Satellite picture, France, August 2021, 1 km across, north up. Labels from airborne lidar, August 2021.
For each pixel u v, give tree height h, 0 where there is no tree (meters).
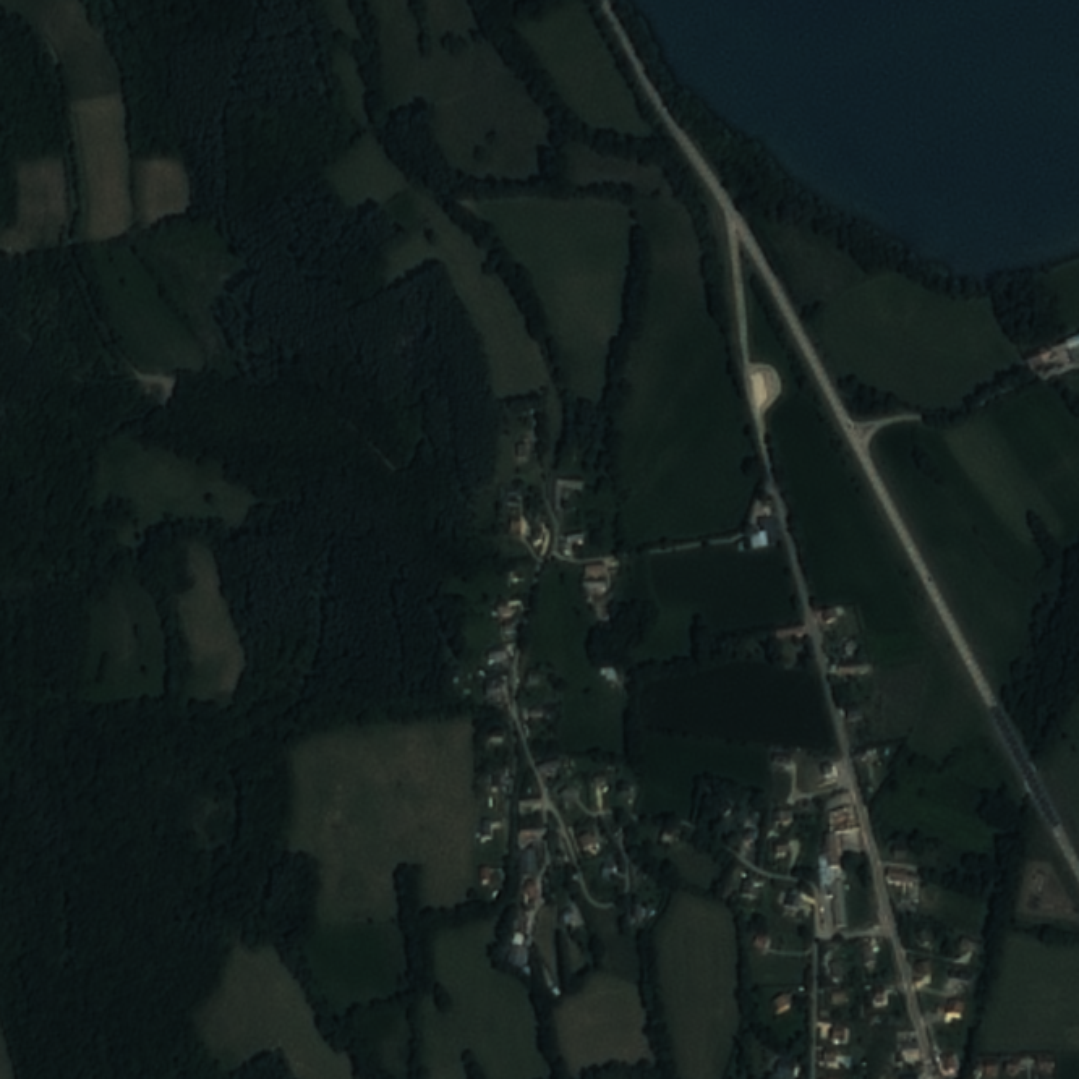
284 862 14
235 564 19
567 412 13
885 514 0
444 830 0
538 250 0
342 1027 20
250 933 14
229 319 20
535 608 11
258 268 25
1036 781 0
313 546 24
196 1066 18
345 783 0
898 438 0
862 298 0
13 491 17
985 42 0
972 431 0
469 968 0
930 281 15
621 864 10
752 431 14
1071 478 0
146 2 18
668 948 0
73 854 16
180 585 0
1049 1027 0
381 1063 10
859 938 8
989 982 15
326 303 24
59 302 6
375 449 12
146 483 0
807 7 0
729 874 9
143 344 0
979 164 0
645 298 26
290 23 24
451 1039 0
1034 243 0
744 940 8
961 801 0
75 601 9
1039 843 0
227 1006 0
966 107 0
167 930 26
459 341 23
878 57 0
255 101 21
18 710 18
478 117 0
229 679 0
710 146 14
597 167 0
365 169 0
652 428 0
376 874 0
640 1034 0
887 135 0
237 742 20
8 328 15
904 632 0
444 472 17
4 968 15
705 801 17
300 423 23
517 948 0
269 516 16
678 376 0
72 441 19
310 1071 0
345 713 22
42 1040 15
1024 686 13
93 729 19
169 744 11
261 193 28
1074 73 0
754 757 0
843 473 0
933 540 0
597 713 0
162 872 23
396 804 0
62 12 0
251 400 19
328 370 16
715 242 12
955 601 0
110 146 0
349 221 21
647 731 11
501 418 17
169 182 0
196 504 0
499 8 27
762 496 13
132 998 25
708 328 0
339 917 0
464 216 20
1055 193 0
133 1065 22
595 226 0
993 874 17
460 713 15
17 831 12
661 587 0
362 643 21
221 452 20
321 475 19
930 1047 0
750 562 0
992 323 0
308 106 23
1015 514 0
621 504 6
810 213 19
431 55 13
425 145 29
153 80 20
